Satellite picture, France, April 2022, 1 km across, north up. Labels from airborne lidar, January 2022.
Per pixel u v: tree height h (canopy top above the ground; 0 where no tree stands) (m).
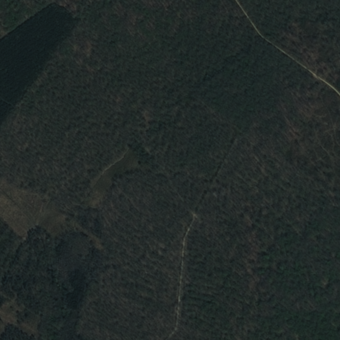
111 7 25
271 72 19
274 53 24
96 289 21
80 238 22
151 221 24
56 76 22
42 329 22
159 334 24
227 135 24
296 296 29
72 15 17
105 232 24
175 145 24
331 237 29
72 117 23
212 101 28
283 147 26
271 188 25
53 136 23
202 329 20
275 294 31
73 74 22
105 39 25
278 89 25
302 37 19
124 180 27
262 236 24
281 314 24
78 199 24
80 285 16
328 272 26
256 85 25
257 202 25
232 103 24
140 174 24
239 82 28
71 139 25
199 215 23
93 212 23
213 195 23
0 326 0
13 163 22
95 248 14
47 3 21
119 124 25
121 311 23
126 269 24
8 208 0
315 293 27
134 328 22
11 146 21
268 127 21
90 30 26
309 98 29
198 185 25
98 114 24
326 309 28
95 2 26
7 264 24
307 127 27
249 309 24
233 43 26
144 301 23
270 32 22
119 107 26
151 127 24
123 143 22
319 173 29
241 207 24
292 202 23
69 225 22
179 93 28
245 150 23
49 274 22
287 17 25
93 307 22
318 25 25
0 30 24
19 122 20
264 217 25
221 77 29
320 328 26
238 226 23
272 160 23
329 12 22
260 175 22
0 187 0
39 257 24
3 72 14
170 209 25
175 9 25
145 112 24
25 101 20
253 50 25
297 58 23
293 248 23
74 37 26
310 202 22
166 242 24
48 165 22
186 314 20
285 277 27
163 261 24
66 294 14
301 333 27
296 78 26
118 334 21
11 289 31
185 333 21
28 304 25
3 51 16
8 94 14
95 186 0
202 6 25
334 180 25
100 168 0
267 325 24
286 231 24
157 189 25
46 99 24
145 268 24
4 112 13
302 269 27
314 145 28
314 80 28
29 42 16
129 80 26
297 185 24
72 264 17
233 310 22
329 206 27
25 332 0
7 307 0
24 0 24
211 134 23
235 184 22
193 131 24
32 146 22
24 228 0
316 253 28
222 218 24
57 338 24
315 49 6
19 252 20
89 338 20
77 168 27
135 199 24
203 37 25
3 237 28
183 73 27
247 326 24
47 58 17
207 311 21
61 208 22
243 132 22
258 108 22
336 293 30
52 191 0
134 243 22
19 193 0
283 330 27
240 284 23
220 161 21
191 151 24
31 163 23
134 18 25
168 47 24
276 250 26
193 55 26
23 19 23
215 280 23
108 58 25
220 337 19
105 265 15
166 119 25
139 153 24
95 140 24
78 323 18
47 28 16
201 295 22
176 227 24
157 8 25
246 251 22
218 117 25
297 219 23
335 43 23
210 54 27
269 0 21
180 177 23
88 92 25
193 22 27
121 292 23
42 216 0
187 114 27
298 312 28
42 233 26
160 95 27
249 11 21
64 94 25
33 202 0
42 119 21
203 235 21
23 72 17
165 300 24
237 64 28
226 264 25
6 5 25
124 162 0
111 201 20
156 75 23
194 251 21
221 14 27
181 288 22
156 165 25
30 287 27
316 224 28
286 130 30
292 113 14
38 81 22
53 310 16
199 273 22
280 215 22
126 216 23
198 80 29
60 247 19
